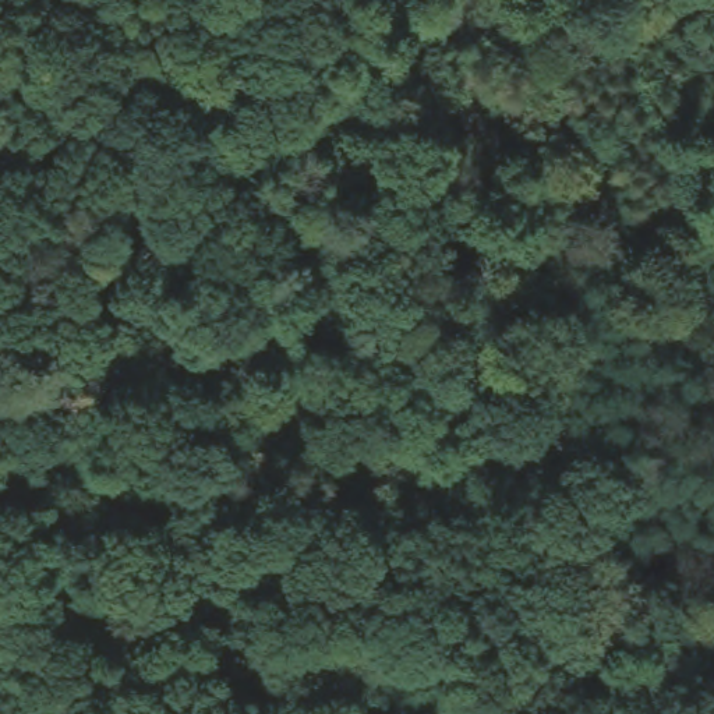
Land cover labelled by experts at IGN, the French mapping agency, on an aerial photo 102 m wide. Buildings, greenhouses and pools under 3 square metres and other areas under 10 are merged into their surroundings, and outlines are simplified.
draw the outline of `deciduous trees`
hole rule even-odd
[[[714,714],[714,0],[0,0],[0,714]]]

